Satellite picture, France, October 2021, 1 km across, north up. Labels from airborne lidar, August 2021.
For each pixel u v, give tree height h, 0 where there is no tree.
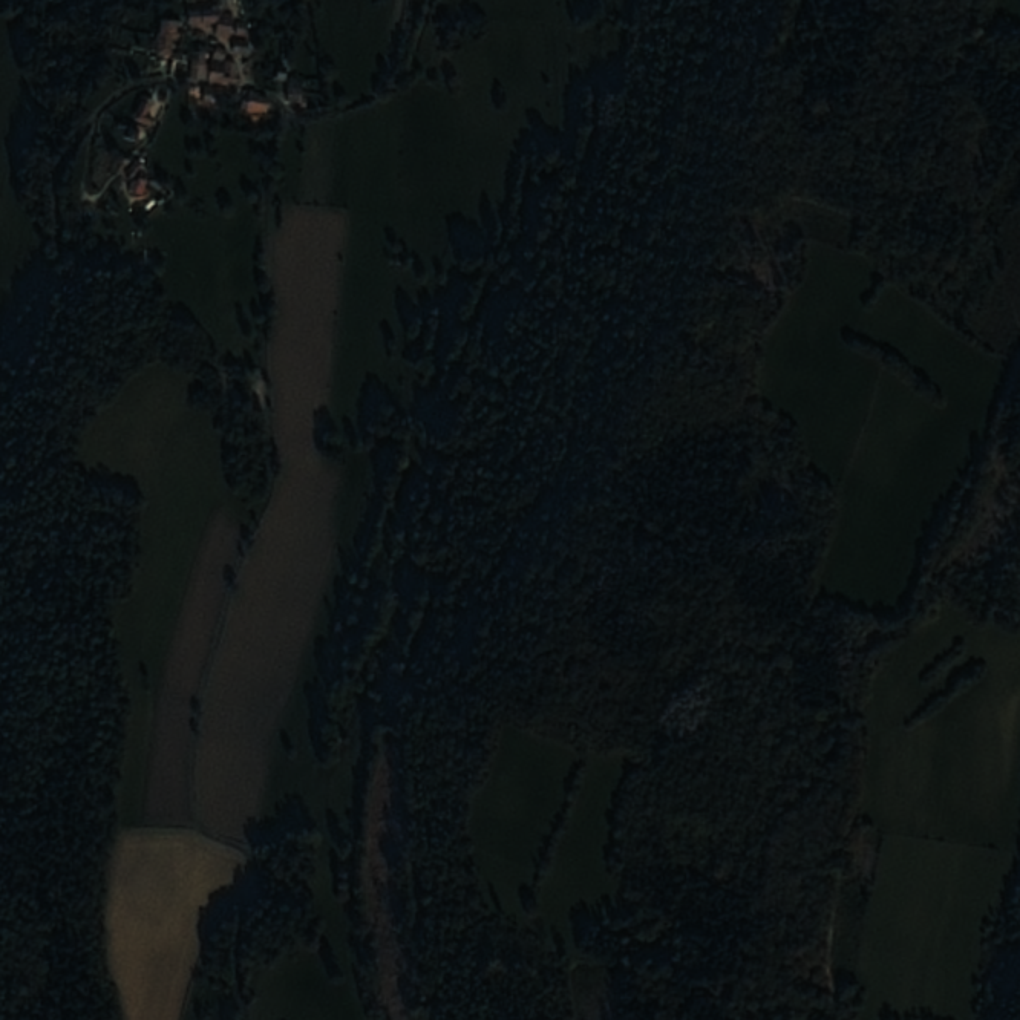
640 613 20
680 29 20
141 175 6
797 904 20
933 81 9
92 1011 13
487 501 16
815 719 21
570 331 20
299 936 12
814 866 24
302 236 0
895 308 0
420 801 23
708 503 23
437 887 20
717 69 20
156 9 7
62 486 18
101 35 9
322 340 0
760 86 9
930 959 0
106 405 10
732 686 17
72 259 19
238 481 20
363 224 0
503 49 0
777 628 18
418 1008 20
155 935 0
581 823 0
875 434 0
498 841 0
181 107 0
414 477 0
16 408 22
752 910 21
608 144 18
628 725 10
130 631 0
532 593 13
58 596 22
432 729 17
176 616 0
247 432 16
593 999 0
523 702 13
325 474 0
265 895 17
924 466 0
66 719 22
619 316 22
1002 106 26
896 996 0
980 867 0
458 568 17
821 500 15
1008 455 19
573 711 14
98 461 0
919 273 15
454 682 9
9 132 0
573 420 15
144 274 16
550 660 15
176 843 0
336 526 0
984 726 0
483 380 15
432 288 0
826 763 20
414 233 0
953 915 0
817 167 16
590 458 15
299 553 0
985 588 10
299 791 0
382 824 0
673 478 22
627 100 16
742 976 18
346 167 0
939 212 16
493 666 17
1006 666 0
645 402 10
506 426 18
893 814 0
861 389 0
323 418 0
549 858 9
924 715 6
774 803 14
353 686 12
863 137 19
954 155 17
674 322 17
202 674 0
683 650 15
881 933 0
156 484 0
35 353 24
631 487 18
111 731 15
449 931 20
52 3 13
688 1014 17
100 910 8
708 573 15
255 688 0
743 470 26
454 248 0
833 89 24
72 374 18
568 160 18
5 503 22
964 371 0
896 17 22
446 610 16
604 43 0
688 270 19
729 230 17
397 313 0
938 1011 0
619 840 9
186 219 0
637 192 11
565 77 0
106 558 21
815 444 0
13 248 0
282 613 0
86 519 15
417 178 0
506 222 9
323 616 0
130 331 15
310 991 0
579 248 20
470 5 0
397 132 0
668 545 15
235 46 0
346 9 0
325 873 0
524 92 0
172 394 0
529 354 22
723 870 16
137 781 0
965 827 0
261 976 0
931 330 0
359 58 0
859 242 14
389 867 18
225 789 0
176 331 14
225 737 0
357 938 18
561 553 16
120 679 16
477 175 0
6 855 24
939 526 13
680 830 12
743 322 24
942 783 0
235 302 0
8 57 0
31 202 13
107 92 0
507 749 0
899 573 0
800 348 0
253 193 12
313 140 0
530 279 19
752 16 20
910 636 10
